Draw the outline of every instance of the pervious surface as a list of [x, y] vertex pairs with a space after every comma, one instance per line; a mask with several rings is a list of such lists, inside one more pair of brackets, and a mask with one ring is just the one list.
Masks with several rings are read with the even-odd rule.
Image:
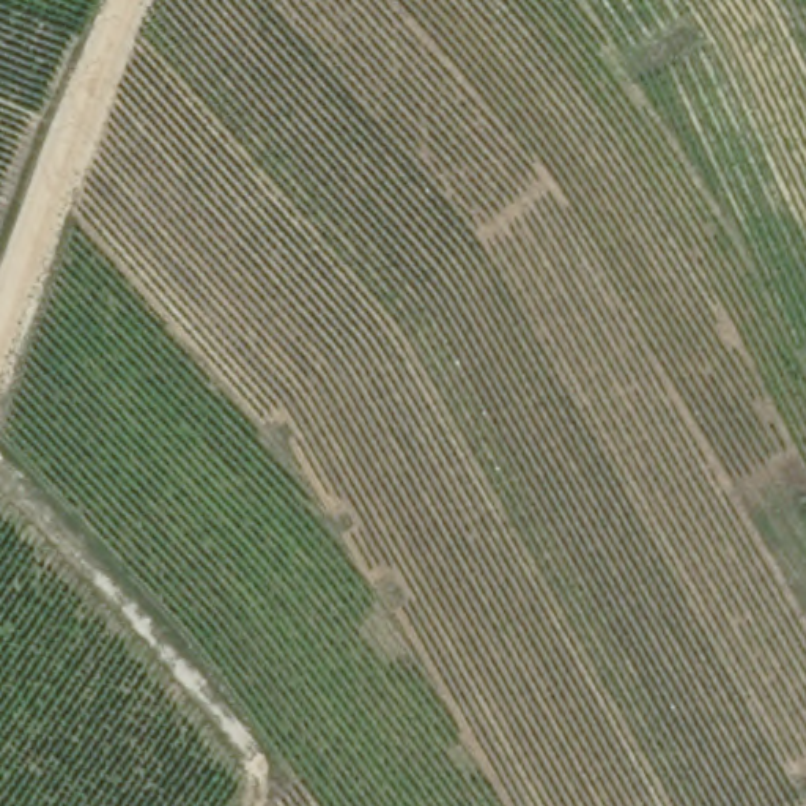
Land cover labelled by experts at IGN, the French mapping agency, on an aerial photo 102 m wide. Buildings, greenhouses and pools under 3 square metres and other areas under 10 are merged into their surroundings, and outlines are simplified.
[[16, 362], [25, 349], [28, 331], [41, 305], [47, 271], [54, 264], [63, 220], [72, 205], [72, 192], [85, 186], [123, 69], [132, 57], [139, 25], [151, 0], [104, 0], [88, 28], [82, 60], [50, 123], [6, 255], [0, 261], [0, 375], [9, 368], [16, 375]]

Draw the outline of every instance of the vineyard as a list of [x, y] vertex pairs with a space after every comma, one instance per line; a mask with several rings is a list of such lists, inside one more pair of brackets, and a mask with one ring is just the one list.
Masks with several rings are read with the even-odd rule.
[[6, 255], [50, 123], [82, 60], [88, 28], [104, 0], [0, 0], [0, 261]]
[[63, 220], [54, 264], [47, 271], [41, 305], [28, 331], [25, 349], [16, 362], [16, 375], [9, 368], [0, 375], [0, 806], [806, 806], [806, 0], [151, 0], [139, 25], [132, 57], [123, 69], [85, 186], [72, 192], [72, 205]]

